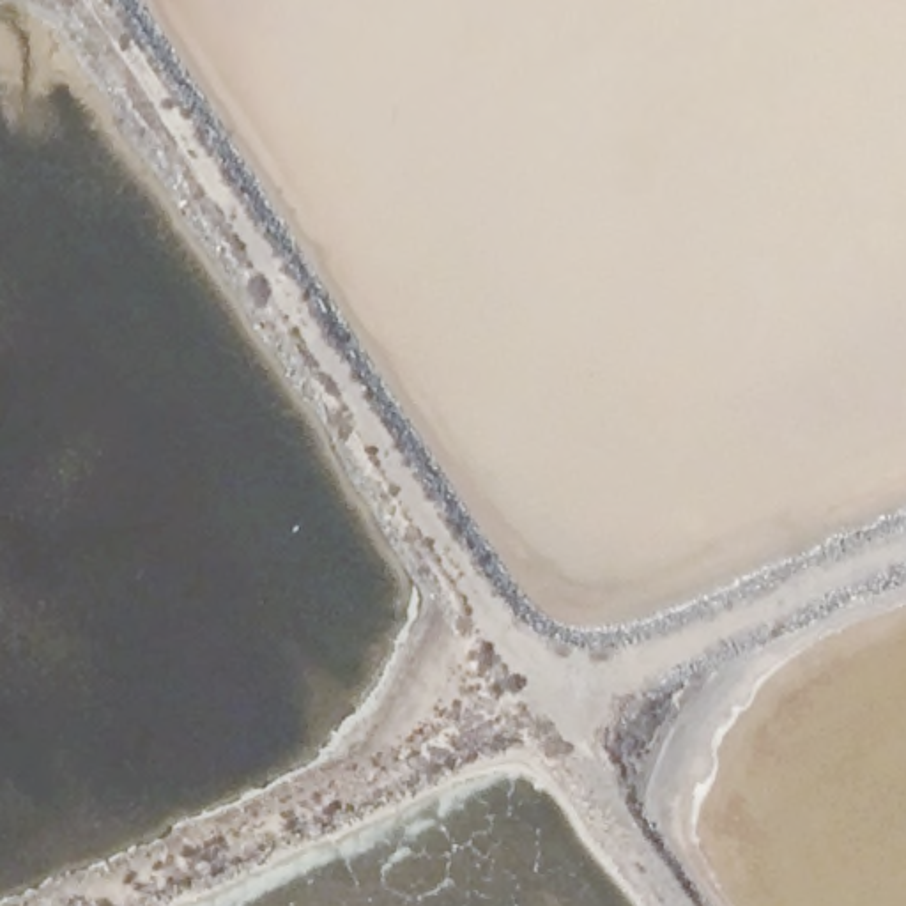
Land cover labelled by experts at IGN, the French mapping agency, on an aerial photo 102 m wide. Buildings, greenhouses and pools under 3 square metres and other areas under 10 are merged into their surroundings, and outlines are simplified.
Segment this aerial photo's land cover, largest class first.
<instances>
[{"label":"water","instance_id":"1","mask_svg":"<svg viewBox=\"0 0 906 906\"><path fill-rule=\"evenodd\" d=\"M152 28L170 42L177 64L205 96L212 117L234 127L230 145L255 177L265 205L276 212L290 241L301 248L319 287L329 290L336 319L361 343L372 372L382 379L386 396L411 421L432 464L446 474L464 513L495 552L503 573L541 616L570 630L577 616L609 623L648 616L662 605L726 584L736 573H747L768 559L796 556L832 531L860 527L864 520L899 510L906 503V0H138ZM403 612L396 609L393 570L365 534L357 510L347 506L333 471L319 453L308 421L280 386V379L262 365L258 347L244 336L237 315L227 308L198 258L184 248L180 234L170 227V216L149 198V191L110 152L106 138L92 127L88 110L71 96L67 85H57L14 127L0 113V895L35 888L42 878L60 871H81L92 860L152 839V832L163 821L198 814L219 800L237 796L241 789L265 786L273 775L311 757L329 740V733L361 704L365 690L372 687L389 655ZM701 828L718 839H736V853L747 874L743 899L750 906H906V609L860 619L849 630L825 637L821 644L803 651L796 662H789L761 687L754 704L722 740L718 779L701 807ZM393 853L386 842H375L357 856L311 867L308 874L258 895L248 906H630V899L580 846L566 814L549 793L534 789L527 779H499L495 786L467 796L464 807L449 810L446 832H421L411 846V856L396 864V871H382V860Z\"/></svg>","mask_w":906,"mask_h":906},{"label":"pervious surface","instance_id":"2","mask_svg":"<svg viewBox=\"0 0 906 906\"><path fill-rule=\"evenodd\" d=\"M120 11L106 0H0V113L14 127L57 85H67L71 96L88 110L92 127L106 138L110 152L149 191V198L170 216V227L180 234L184 248L198 258L227 308L237 315L244 336L258 347L262 365L280 379V386L308 421L319 453L333 471L347 506L357 510L365 534L393 570L396 609L403 612L389 655L372 687L365 690L361 704L329 733V740L311 757L273 775L265 786L241 789L237 796L219 800L198 814L163 821L152 832V839L92 860L81 871H60L42 878L35 888L0 895V906H248L258 895L308 874L311 867L357 856L375 842H386L393 853L382 860V871H396V864L411 856V846L421 832H446L449 810L464 807L467 796L495 786L499 779H527L534 789L549 793L566 814L580 846L630 899V906H690V899L680 892L665 864L637 832L616 768L602 747V729L626 726L630 718H637L644 701H651L658 687L669 690L672 708L655 743L648 747L651 772L641 800L644 814L676 849L687 874L711 906H750L743 899L747 874L736 853V839H718L701 828V807L718 779L722 740L754 704L761 687L789 662H796L803 651L821 644L825 637L849 630L860 619L906 609V503L899 510L864 520L860 527L832 531L796 556L768 559L747 573H736L726 584L662 605L648 616L609 623L577 616L570 630L623 633L626 648H619L609 662H591L584 651H570L566 658H559L545 644V637L513 619L510 605L488 587L471 552L446 527L442 506H435L425 495L414 467L403 464L393 435L365 400V389L354 382L347 361L326 340L322 326L311 319L297 283L283 273L280 255L262 237L258 223L248 216L244 202L223 180L219 163L195 138V124L180 110L166 106V81L152 71L149 53L138 46L127 50L120 42ZM453 701L481 718H495L503 711H517V704H527L534 715L556 722L559 736L573 743V754L545 757L534 733L524 729L520 747L478 757L467 768L432 779V750L449 747V740L460 736L449 718L435 715V704ZM212 835H223L227 842L223 878H212L205 860L184 856L188 846H202Z\"/></svg>","mask_w":906,"mask_h":906},{"label":"brushwood","instance_id":"3","mask_svg":"<svg viewBox=\"0 0 906 906\"><path fill-rule=\"evenodd\" d=\"M120 11V42L127 50L138 46L149 53L152 71L166 81V106L180 110L195 124V138L219 163L223 180L244 202L248 216L258 223L262 237L280 255L283 273L297 283L311 319L322 326L326 340L347 361L354 382L365 389V400L393 435L403 464L414 467L425 495L435 506H442L446 527L471 552L488 587L510 605L513 619L545 637V644L559 658H566L570 651H584L591 662H609L619 648H626L623 633L570 630L541 616L503 573L495 552L464 513L446 474L432 464L411 421L386 396L382 379L372 372L361 343L336 319L329 290L319 287L301 248L290 241L276 212L265 205L255 177L230 145L234 127L212 117L205 96L177 64L170 42L152 28L138 0H106ZM672 708L669 690L658 687L651 701H644L637 718H630L626 726L602 729V747L616 768L637 832L665 864L680 892L690 899V906H711L687 874L676 849L644 814L641 800L651 772L648 747L655 743ZM435 715L449 718L460 736L449 740V747L432 750V779L467 768L478 757L520 747L524 729L534 733L545 757L573 754V743L559 736L556 722L534 715L527 704H517V711H503L495 718H481L453 701L435 704ZM227 842L223 835H212L202 846H188L184 856L205 860L212 878H223Z\"/></svg>","mask_w":906,"mask_h":906}]
</instances>
